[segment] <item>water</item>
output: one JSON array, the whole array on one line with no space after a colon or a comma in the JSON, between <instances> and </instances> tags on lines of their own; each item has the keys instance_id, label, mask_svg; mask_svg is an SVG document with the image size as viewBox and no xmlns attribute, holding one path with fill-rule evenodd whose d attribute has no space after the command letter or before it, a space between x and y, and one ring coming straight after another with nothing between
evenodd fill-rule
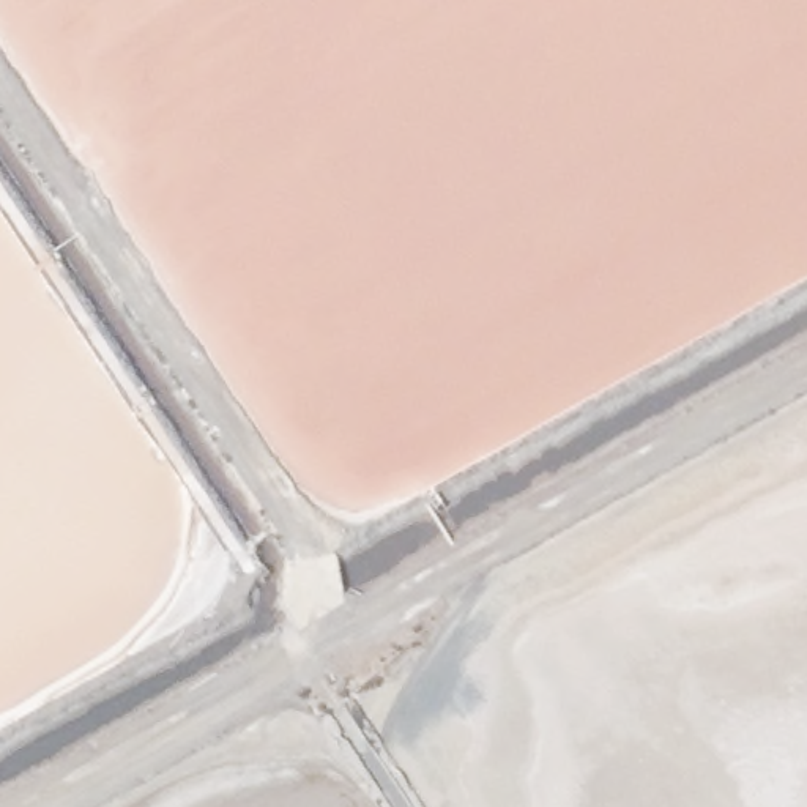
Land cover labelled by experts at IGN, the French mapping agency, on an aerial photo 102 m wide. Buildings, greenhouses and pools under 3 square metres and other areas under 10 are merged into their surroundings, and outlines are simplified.
<instances>
[{"instance_id":1,"label":"water","mask_svg":"<svg viewBox=\"0 0 807 807\"><path fill-rule=\"evenodd\" d=\"M457 501L438 504L441 520L451 533L457 533L467 520L489 514L495 504L504 504L508 498L526 492L536 479L552 476L567 463L577 463L580 457L593 454L612 438L671 410L675 404L700 394L703 388L722 381L725 375L750 366L753 359L779 350L782 344L807 331L807 306L788 315L785 322L775 322L772 328L741 340L722 356L706 359L694 372L589 422L583 432L545 448L517 470L504 470L489 482L470 489Z\"/></svg>"},{"instance_id":2,"label":"water","mask_svg":"<svg viewBox=\"0 0 807 807\"><path fill-rule=\"evenodd\" d=\"M359 589L391 574L404 558L416 555L419 549L438 539L429 520L410 520L400 530L385 533L372 545L353 552L337 564L344 589Z\"/></svg>"},{"instance_id":3,"label":"water","mask_svg":"<svg viewBox=\"0 0 807 807\"><path fill-rule=\"evenodd\" d=\"M293 779L236 788L227 794L205 798L192 807L372 807L350 775L337 782L318 772L315 763L303 763L299 775Z\"/></svg>"},{"instance_id":4,"label":"water","mask_svg":"<svg viewBox=\"0 0 807 807\"><path fill-rule=\"evenodd\" d=\"M498 451L580 410L605 391L671 359L675 353L709 337L712 331L728 328L734 318L750 315L760 306L772 306L782 293L807 281L807 0L0 0L0 47L6 50L9 63L22 73L35 101L44 107L60 139L79 158L88 180L113 202L120 227L142 249L158 284L164 287L189 331L205 344L230 394L262 429L271 448L290 463L296 476L315 467L334 489L347 492L350 498L363 498L356 508L340 508L334 501L328 504L328 514L347 523L378 520L419 495L438 492L438 485L451 476L495 457Z\"/></svg>"},{"instance_id":5,"label":"water","mask_svg":"<svg viewBox=\"0 0 807 807\"><path fill-rule=\"evenodd\" d=\"M54 208L32 183L28 170L19 164L6 139L0 136L0 180L6 183L9 195L16 199L35 233L60 258L66 281L98 322L101 334L110 340L113 353L154 400L158 416L170 429L173 441L180 444L199 482L221 508L236 539L258 561L252 586L246 593L246 624L211 640L192 656L95 700L73 719L63 719L54 728L38 731L35 738L22 741L19 747L0 757L0 785L60 757L73 744L136 712L148 700L173 690L177 684L199 678L249 640L271 634L284 618L284 612L277 608L277 549L284 545L284 536L271 536L265 526L255 523L243 495L233 489L233 482L224 476L211 451L205 448L199 429L183 413L180 400L170 394L161 372L145 359L129 325L101 287L98 274L76 249L73 236L54 214Z\"/></svg>"},{"instance_id":6,"label":"water","mask_svg":"<svg viewBox=\"0 0 807 807\"><path fill-rule=\"evenodd\" d=\"M22 274L22 265L13 258L0 233L0 712L22 703L44 684L63 678L66 671L79 668L110 643L117 643L148 612L177 561L180 495L177 485L161 473L161 460L139 441L129 422L120 416L95 369L69 344L63 325L54 322L50 309L41 303L44 293L35 290L35 284Z\"/></svg>"}]
</instances>

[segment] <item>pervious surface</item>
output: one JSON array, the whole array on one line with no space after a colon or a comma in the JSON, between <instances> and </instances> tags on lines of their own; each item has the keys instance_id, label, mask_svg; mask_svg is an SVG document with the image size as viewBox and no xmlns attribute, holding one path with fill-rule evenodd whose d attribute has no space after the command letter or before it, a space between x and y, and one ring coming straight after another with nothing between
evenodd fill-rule
<instances>
[{"instance_id":1,"label":"pervious surface","mask_svg":"<svg viewBox=\"0 0 807 807\"><path fill-rule=\"evenodd\" d=\"M722 356L741 340L772 328L775 322L785 322L788 315L807 306L807 281L782 293L772 306L760 306L750 315L734 318L728 328L712 331L709 337L675 353L671 359L605 391L580 410L498 451L495 457L451 476L438 485L438 492L419 495L378 520L347 523L328 514L328 504L334 501L340 508L356 508L363 498L350 498L347 492L334 489L315 467L296 476L290 463L271 448L262 429L230 394L205 344L189 331L164 287L158 284L142 249L120 227L113 202L88 180L79 158L60 139L44 107L35 101L22 73L9 63L6 50L0 47L0 136L6 139L19 164L28 170L32 183L54 208L54 214L73 236L76 249L98 274L101 287L129 325L145 359L161 372L170 394L180 400L183 413L199 429L205 448L211 451L224 476L233 482L233 489L243 495L255 523L265 526L271 536L284 536L284 545L277 549L277 608L284 612L284 618L271 634L249 640L199 678L177 684L173 690L148 700L136 712L73 744L60 757L0 785L0 807L192 807L205 798L227 794L236 788L293 779L299 775L303 763L315 763L318 772L337 782L350 775L372 807L807 807L807 331L782 344L779 350L753 359L750 366L725 375L722 381L703 388L700 394L675 404L671 410L612 438L593 454L580 457L577 463L567 463L552 476L536 479L526 492L508 498L504 504L495 504L489 514L467 520L457 533L451 533L441 520L438 504L457 501L470 489L489 482L504 470L517 470L545 448L583 432L589 422L694 372L706 359ZM404 558L391 574L359 589L344 589L337 564L353 552L372 545L385 533L400 530L410 520L429 520L438 539L419 549L416 555Z\"/></svg>"},{"instance_id":2,"label":"pervious surface","mask_svg":"<svg viewBox=\"0 0 807 807\"><path fill-rule=\"evenodd\" d=\"M173 441L170 429L158 416L154 400L113 353L110 340L101 334L98 322L66 281L60 258L35 233L16 199L9 195L6 183L0 180L0 233L13 258L22 265L22 274L35 284L35 290L44 293L41 303L50 309L54 322L63 325L69 344L95 369L120 416L129 422L139 441L161 460L161 473L177 485L180 495L177 561L148 612L117 643L110 643L79 668L66 671L63 678L44 684L22 703L0 712L0 757L19 747L22 741L35 738L38 731L54 728L63 719L73 719L95 700L192 656L211 640L246 624L246 593L252 586L258 561L236 539L221 508L199 482L180 444Z\"/></svg>"}]
</instances>

